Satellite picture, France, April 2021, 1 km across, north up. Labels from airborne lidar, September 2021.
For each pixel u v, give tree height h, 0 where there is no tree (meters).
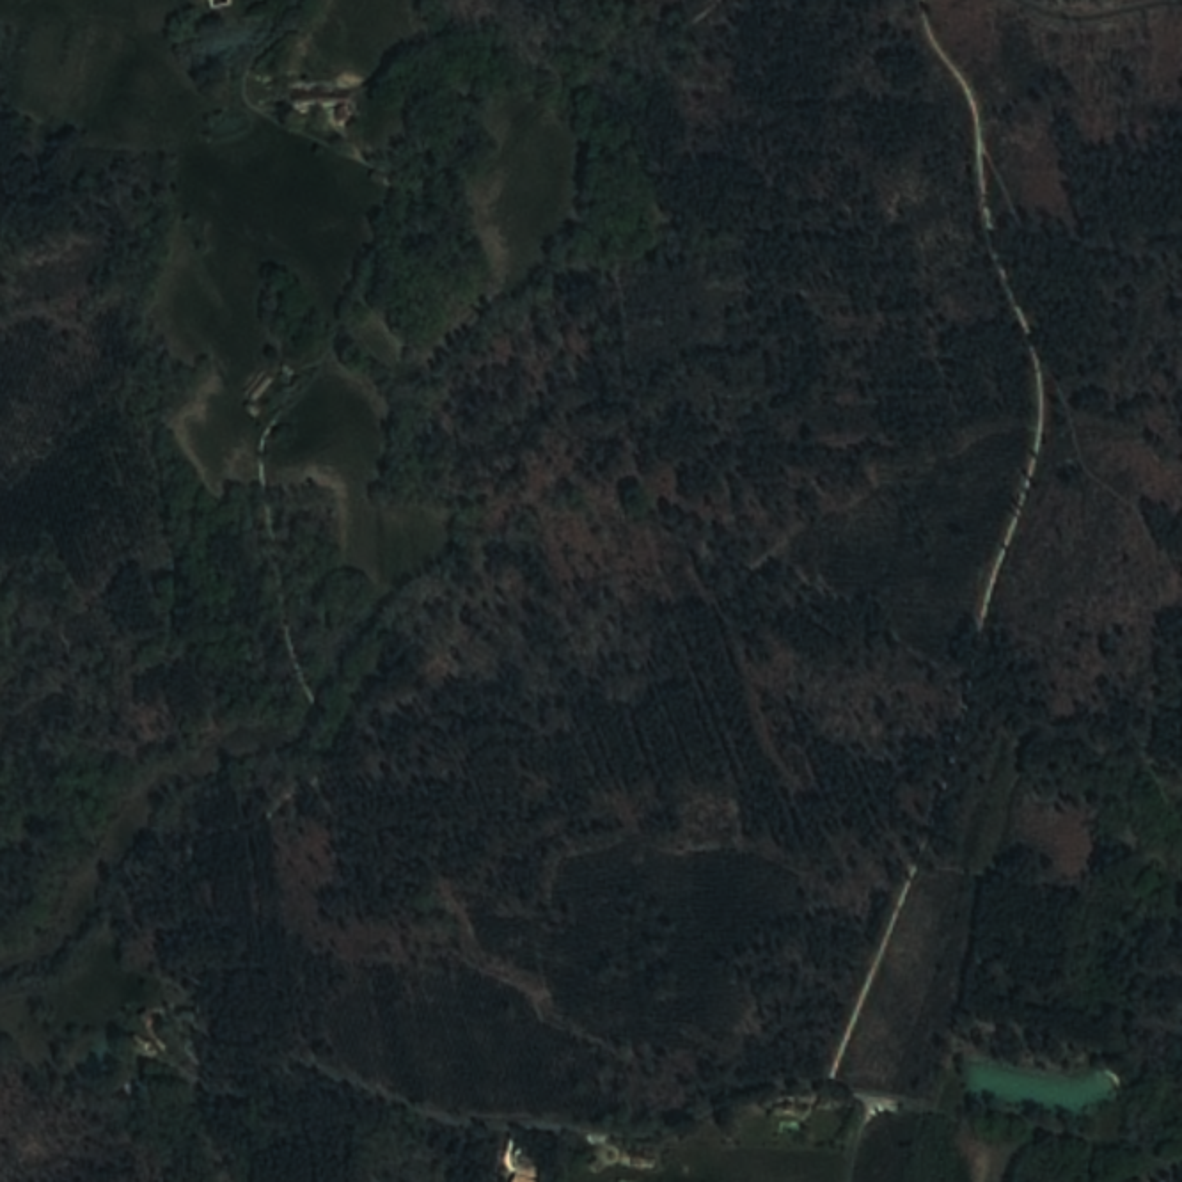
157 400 11
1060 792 15
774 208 18
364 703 6
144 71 0
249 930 9
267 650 17
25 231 27
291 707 17
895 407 15
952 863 16
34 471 7
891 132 9
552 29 17
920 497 6
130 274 12
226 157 0
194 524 16
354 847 23
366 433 0
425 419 19
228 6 0
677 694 15
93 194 11
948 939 9
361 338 0
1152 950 22
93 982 0
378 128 0
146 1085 13
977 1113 21
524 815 17
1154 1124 13
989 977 15
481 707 23
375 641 22
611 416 20
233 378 0
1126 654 7
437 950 6
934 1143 10
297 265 0
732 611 17
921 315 19
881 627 20
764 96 13
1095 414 18
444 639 18
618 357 11
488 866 22
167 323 0
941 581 6
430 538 0
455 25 18
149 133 0
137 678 8
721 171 21
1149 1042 13
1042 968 18
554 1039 7
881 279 16
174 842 8
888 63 16
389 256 17
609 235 25
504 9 8
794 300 8
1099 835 16
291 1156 21
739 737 20
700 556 15
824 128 11
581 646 5
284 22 13
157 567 12
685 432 20
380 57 0
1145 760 12
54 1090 11
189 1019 15
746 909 7
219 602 20
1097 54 6
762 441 19
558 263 18
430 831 21
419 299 21
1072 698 11
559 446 9
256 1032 17
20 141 19
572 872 6
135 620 14
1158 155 18
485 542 16
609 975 19
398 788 9
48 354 7
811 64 11
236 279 0
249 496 11
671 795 16
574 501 22
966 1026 23
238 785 14
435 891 11
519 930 7
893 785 19
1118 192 23
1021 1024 13
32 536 10
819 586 8
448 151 15
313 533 25
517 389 9
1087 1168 11
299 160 0
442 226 29
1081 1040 18
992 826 0
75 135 15
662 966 6
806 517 18
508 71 26
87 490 9
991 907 16
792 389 12
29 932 25
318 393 0
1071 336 22
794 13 10
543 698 9
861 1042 0
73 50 0
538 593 18
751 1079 14
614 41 8
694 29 24
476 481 8
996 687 20
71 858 23
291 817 13
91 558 6
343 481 0
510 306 14
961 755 20
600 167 19
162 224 18
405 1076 6
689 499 20
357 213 0
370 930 21
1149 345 8
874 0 13
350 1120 20
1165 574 13
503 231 0
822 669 12
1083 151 20
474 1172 15
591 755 18
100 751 8
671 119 19
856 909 11
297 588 20
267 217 0
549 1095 6
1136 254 21
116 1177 8
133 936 15
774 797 15
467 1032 7
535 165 0
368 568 0
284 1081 14
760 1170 0
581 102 25
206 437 0
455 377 9
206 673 17
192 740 19
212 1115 24
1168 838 18
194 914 20
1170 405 14
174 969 23
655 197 21
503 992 7
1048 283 20
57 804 13
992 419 19
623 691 14
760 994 16
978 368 19
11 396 7
